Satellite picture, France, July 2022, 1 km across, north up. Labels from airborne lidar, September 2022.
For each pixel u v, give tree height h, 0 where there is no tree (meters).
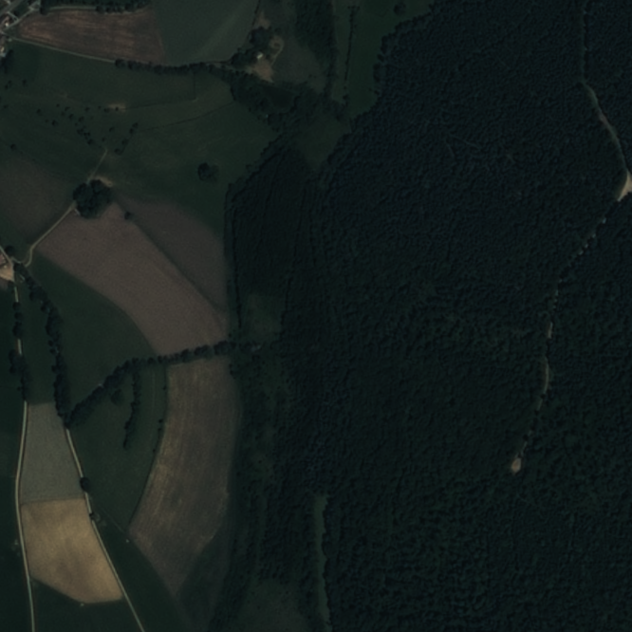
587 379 16
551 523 10
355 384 18
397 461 17
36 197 0
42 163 0
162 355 0
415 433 20
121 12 12
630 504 20
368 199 15
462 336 12
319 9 7
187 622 0
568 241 23
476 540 18
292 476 15
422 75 15
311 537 18
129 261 0
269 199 16
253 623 0
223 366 0
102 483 0
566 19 18
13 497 0
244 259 17
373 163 15
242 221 14
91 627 0
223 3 0
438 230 23
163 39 0
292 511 15
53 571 0
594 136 17
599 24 22
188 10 0
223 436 0
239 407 0
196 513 0
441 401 20
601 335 15
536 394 25
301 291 10
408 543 6
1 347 0
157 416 0
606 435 12
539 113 21
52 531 0
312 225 9
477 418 23
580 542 12
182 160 0
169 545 0
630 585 14
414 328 21
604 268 16
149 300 0
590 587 11
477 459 22
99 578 0
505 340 18
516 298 20
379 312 13
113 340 0
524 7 15
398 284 18
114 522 0
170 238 0
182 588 0
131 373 20
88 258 0
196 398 0
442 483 21
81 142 0
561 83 24
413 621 18
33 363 0
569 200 22
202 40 0
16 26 0
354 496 18
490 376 17
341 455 20
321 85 0
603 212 24
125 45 0
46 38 0
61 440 0
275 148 9
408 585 14
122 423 0
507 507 15
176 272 0
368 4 0
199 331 0
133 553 0
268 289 17
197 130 0
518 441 23
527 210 22
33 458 0
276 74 0
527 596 22
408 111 18
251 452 7
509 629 19
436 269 18
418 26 21
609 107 23
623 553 10
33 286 24
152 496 0
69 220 0
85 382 0
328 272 13
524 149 20
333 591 26
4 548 0
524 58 19
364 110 0
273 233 17
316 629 9
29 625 0
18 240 0
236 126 0
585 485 17
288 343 15
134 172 0
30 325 0
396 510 19
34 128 0
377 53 0
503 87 14
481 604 25
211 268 0
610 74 20
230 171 0
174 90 0
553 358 19
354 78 0
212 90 0
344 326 15
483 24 17
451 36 16
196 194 0
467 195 18
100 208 26
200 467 0
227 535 0
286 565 9
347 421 17
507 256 24
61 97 0
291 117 18
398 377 18
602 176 26
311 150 0
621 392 12
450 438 20
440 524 21
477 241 24
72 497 0
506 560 14
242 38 0
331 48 16
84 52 0
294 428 8
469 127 18
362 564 9
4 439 0
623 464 8
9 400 0
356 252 17
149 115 0
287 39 0
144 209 0
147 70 18
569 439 22
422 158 19
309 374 12
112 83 0
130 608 0
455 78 18
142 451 0
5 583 0
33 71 0
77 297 0
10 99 0
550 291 18
